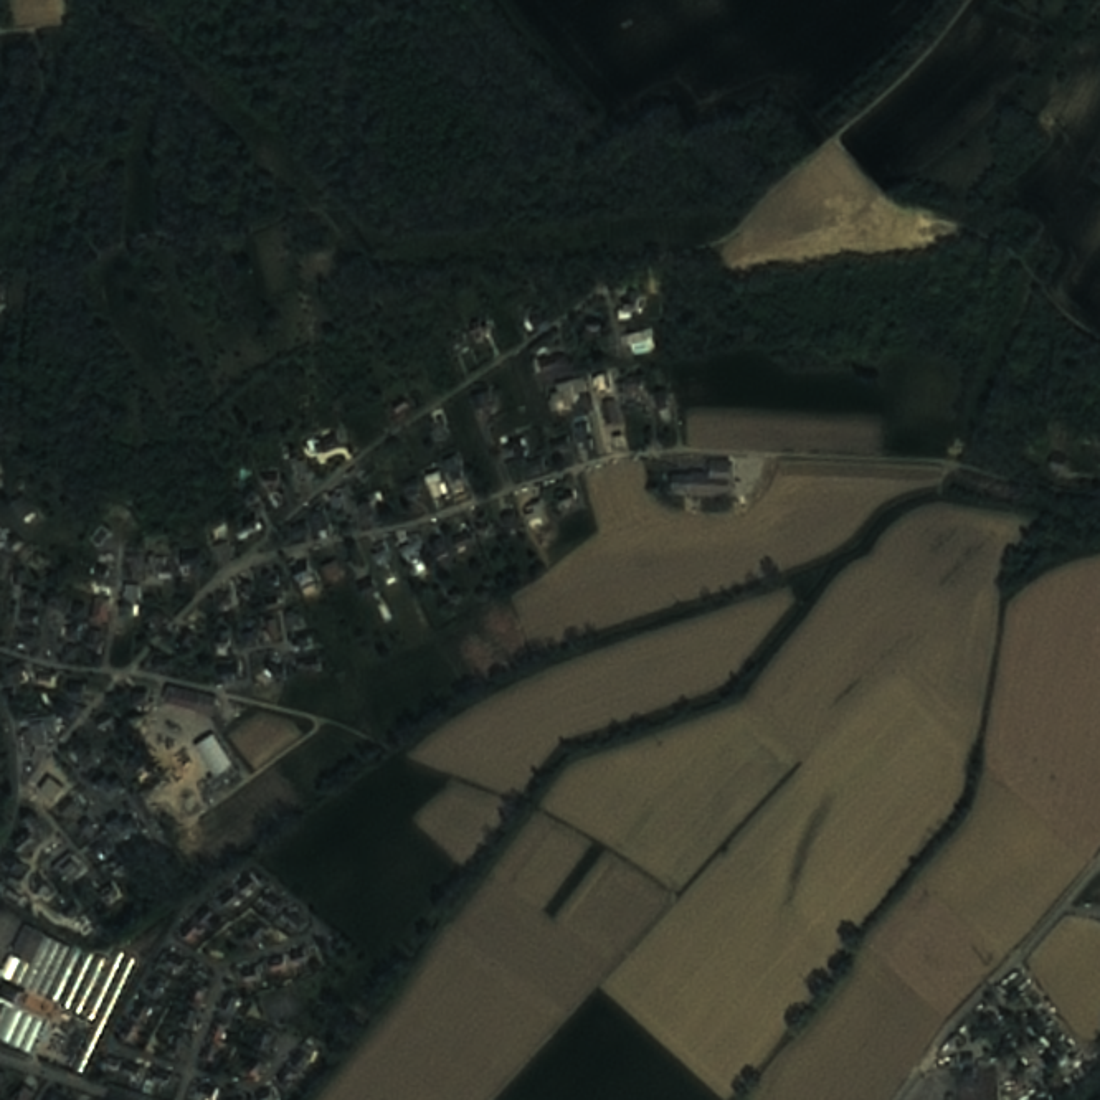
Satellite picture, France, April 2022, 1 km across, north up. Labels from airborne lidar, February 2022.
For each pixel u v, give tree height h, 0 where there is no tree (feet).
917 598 0
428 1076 0
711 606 44
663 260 74
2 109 50
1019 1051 45
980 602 0
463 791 0
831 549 0
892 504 0
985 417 61
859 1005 0
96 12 35
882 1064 0
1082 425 30
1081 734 0
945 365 0
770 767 0
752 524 0
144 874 75
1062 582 0
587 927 0
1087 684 0
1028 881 0
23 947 0
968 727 0
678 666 0
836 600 0
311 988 0
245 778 0
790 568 0
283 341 0
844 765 0
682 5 0
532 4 0
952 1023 0
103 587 0
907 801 0
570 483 23
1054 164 0
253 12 71
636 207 49
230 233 66
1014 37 0
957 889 0
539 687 0
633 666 0
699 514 0
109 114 30
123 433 44
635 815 0
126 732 24
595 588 0
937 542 0
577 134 98
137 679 0
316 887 0
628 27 0
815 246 0
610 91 0
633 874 0
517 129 96
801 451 0
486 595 30
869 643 0
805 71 0
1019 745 0
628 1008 0
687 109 0
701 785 0
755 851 0
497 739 0
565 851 0
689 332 72
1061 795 0
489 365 0
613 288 24
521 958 0
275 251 0
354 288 58
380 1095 0
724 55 0
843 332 49
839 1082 0
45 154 31
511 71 93
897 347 23
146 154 0
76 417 60
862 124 0
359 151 82
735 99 0
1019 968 0
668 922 0
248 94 77
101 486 41
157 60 53
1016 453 58
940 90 0
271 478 0
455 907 53
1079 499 28
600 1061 0
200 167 83
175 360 29
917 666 0
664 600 0
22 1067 0
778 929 0
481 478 37
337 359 23
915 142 0
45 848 0
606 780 0
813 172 0
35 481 34
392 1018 0
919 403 0
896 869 0
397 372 41
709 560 0
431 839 0
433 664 0
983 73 0
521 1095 0
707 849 0
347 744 0
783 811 0
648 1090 0
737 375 0
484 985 0
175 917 0
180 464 41
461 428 0
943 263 47
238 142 63
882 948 0
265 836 66
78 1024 0
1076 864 0
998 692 0
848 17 0
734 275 58
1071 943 0
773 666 0
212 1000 0
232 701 0
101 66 34
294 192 25
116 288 0
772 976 0
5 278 18
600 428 0
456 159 72
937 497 0
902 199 39
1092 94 0
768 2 0
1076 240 0
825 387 0
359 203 85
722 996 0
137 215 0
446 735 0
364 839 0
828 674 0
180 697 0
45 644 0
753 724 0
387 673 0
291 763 0
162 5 62
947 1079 0
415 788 0
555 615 0
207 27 71
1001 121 21
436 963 0
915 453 0
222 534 0
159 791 0
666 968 0
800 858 0
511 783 0
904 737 0
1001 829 0
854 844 0
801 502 0
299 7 94
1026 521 0
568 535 0
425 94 83
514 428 0
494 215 57
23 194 28
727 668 0
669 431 23
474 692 62
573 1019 0
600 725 0
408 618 0
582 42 0
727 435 0
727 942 0
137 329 0
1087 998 0
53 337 23
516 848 0
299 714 0
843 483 0
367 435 0
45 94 0
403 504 21
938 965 0
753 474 0
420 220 56
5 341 30
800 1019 55
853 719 0
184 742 0
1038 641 0
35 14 0
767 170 66
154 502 38
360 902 0
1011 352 48
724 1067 0
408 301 39
